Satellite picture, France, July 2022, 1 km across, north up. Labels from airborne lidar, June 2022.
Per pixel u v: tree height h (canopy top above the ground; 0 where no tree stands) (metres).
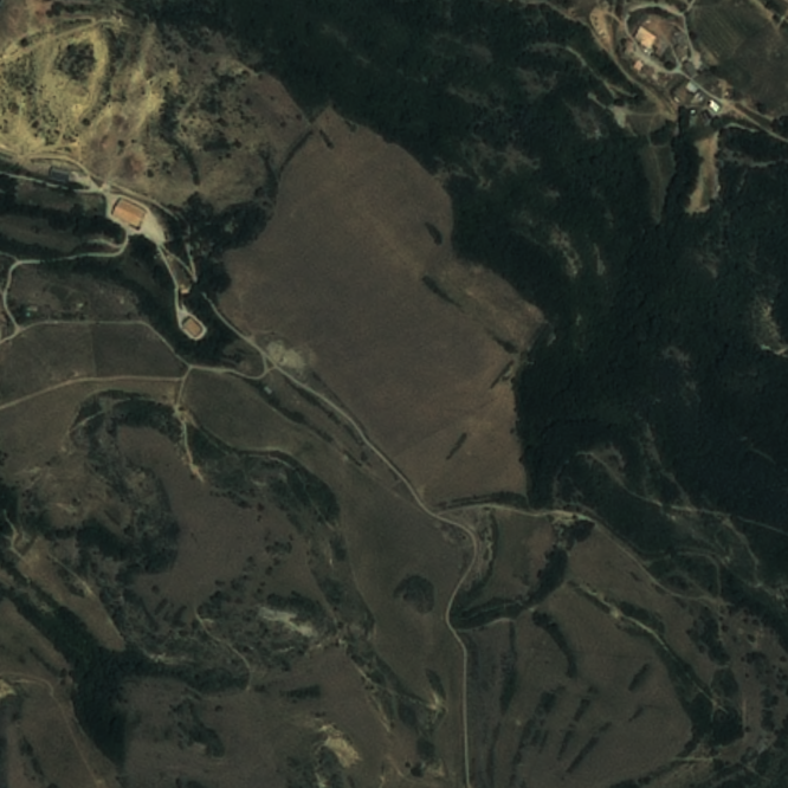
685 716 0
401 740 0
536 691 0
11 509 7
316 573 0
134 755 0
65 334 0
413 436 0
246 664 0
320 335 0
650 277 18
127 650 6
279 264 0
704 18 0
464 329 0
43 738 0
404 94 9
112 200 0
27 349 0
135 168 0
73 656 8
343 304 0
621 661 0
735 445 8
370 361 0
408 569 0
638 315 19
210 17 8
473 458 0
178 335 9
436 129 9
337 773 0
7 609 0
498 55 10
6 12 0
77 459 0
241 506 6
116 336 0
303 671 0
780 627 10
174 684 0
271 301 0
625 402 7
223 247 7
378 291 0
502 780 0
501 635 0
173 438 8
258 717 0
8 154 0
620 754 0
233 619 0
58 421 0
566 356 14
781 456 8
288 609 0
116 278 10
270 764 0
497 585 0
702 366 11
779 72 0
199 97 0
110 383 0
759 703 0
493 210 9
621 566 0
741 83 0
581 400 15
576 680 0
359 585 0
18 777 0
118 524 0
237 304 0
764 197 7
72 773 0
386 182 0
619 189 11
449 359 0
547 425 19
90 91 0
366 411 0
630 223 12
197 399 0
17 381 0
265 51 7
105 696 13
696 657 0
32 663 0
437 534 0
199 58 0
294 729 0
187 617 0
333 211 0
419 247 0
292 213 0
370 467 0
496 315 0
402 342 0
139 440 0
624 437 8
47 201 0
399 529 0
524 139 12
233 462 0
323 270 0
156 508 0
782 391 10
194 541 0
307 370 0
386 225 0
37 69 0
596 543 0
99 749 9
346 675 0
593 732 0
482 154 0
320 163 0
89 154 0
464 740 0
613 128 10
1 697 0
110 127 0
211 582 0
